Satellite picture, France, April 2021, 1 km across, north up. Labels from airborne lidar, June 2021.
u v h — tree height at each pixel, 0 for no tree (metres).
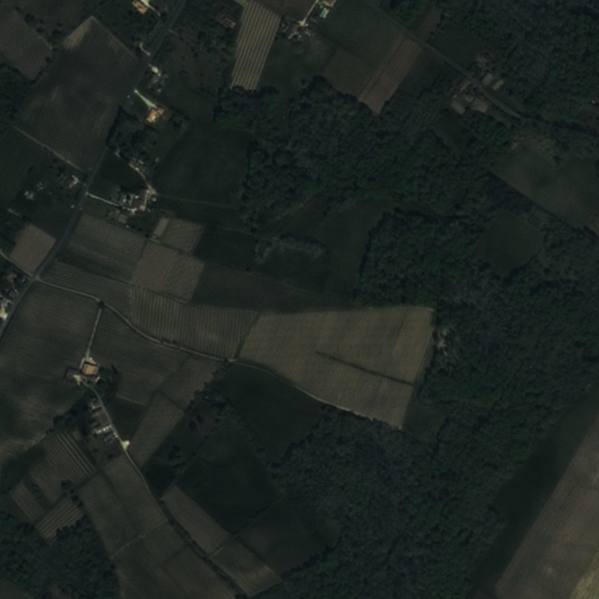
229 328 0
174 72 0
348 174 19
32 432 0
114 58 0
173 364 0
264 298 0
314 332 0
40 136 0
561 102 21
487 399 23
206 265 0
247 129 14
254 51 0
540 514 0
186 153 0
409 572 14
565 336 25
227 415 16
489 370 21
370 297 19
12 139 0
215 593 0
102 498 0
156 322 0
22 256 0
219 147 0
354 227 0
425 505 24
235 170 0
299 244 15
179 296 0
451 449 20
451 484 18
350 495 18
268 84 0
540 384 23
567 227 8
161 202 0
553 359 28
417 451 18
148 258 0
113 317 0
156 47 0
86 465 0
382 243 22
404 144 23
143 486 0
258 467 0
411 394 0
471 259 16
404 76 0
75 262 0
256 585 0
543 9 17
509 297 21
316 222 0
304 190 23
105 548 0
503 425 24
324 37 0
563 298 21
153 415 0
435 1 18
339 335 0
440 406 10
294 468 18
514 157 0
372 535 13
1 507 0
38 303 0
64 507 0
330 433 10
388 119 13
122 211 6
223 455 0
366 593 24
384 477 20
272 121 17
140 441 0
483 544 22
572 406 20
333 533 0
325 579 22
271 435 0
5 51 0
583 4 16
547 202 0
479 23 13
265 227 15
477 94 6
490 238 0
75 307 0
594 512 0
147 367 0
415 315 0
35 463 0
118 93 0
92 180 0
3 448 0
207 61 0
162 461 0
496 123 11
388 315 0
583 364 18
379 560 17
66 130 0
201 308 0
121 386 0
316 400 0
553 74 22
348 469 21
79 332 0
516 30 12
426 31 0
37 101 0
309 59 0
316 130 19
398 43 0
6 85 6
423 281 6
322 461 15
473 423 6
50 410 0
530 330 25
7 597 0
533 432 20
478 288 22
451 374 19
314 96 17
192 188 0
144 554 0
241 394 0
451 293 25
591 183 0
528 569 0
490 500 20
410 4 18
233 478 0
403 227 24
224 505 0
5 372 0
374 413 0
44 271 0
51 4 0
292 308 0
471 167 20
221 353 0
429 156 19
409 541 21
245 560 0
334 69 0
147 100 0
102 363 0
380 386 0
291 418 0
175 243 0
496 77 7
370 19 0
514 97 13
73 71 0
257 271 0
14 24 0
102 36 0
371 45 0
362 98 0
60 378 0
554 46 19
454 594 20
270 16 0
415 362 0
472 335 21
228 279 0
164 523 0
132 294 0
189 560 0
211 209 0
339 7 0
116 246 0
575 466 0
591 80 25
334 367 0
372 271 21
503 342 13
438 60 0
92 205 0
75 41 0
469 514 26
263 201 18
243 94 21
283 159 28
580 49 25
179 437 0
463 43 0
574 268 9
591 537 0
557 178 0
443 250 26
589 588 0
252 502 0
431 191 25
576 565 0
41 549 21
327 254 0
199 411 0
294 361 0
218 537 0
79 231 0
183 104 0
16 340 0
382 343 0
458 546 28
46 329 0
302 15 0
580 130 21
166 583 0
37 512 0
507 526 15
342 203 23
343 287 0
